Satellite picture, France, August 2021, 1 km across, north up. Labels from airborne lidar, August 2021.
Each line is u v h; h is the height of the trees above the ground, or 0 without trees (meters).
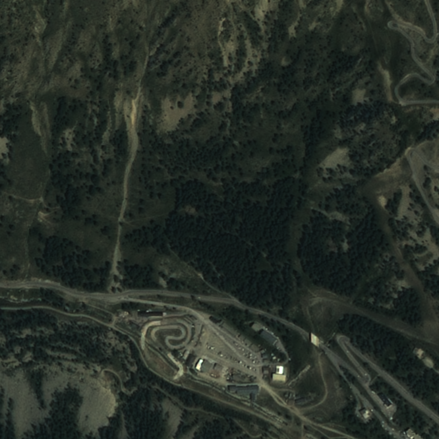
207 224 28
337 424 0
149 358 0
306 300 0
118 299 0
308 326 0
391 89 0
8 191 0
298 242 0
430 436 10
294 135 0
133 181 0
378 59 0
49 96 0
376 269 0
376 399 0
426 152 0
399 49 0
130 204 0
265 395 0
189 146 13
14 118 16
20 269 12
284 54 0
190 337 0
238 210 24
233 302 0
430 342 0
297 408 0
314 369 0
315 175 0
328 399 0
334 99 14
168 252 25
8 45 0
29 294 0
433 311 0
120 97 0
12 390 0
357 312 0
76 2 0
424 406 0
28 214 0
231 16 0
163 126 0
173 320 0
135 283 16
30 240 0
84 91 0
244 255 24
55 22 0
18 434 0
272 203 20
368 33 0
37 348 13
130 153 0
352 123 12
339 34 0
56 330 8
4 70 7
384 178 0
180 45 0
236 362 0
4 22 0
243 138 0
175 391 21
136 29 0
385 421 0
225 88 15
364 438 20
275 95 0
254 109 14
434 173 0
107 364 17
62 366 15
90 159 0
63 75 0
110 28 0
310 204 0
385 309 9
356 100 0
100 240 0
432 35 0
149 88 0
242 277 20
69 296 0
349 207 14
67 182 14
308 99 9
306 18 0
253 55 0
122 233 0
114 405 0
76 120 0
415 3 0
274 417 0
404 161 0
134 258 0
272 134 0
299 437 0
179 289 26
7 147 9
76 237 0
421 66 0
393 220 9
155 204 0
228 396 0
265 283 27
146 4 0
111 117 0
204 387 0
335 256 28
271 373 0
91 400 0
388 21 0
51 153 0
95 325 0
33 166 0
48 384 0
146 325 0
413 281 0
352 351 0
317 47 0
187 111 0
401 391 0
